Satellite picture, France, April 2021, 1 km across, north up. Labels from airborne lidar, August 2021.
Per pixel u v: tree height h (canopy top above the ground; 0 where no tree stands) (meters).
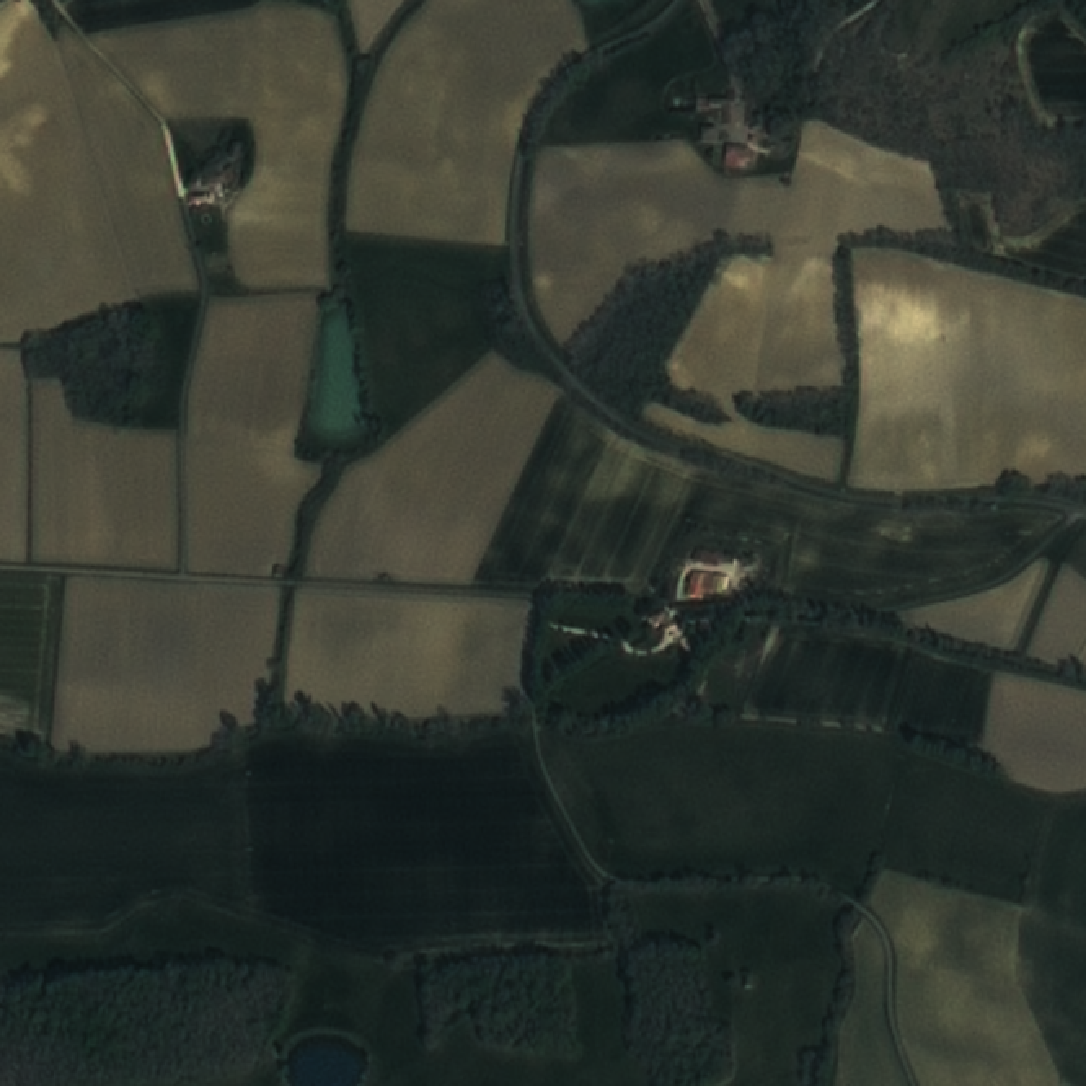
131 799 0
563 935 0
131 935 0
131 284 0
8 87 0
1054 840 0
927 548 0
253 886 0
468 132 0
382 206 0
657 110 0
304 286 0
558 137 0
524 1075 0
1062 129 13
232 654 0
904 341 0
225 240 0
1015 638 0
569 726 27
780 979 0
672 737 0
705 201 0
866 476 0
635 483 0
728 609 16
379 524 0
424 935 0
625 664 0
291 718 31
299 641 0
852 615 8
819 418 15
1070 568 0
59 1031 22
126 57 0
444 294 0
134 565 0
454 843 0
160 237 0
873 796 0
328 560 0
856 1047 0
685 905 0
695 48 0
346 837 0
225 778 0
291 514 0
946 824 0
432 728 10
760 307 0
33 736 0
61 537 0
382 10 0
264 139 0
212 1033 20
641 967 23
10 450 0
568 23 0
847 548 0
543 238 0
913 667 0
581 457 0
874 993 0
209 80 0
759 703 0
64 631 0
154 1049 23
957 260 22
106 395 16
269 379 0
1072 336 0
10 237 0
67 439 0
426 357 0
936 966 0
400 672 0
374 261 0
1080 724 0
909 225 0
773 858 0
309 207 0
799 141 0
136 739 0
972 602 0
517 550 0
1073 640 0
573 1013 20
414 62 0
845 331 20
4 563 0
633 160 0
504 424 0
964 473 0
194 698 0
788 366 0
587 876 0
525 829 0
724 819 0
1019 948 0
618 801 0
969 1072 0
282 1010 17
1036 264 0
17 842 0
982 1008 0
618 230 0
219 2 0
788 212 0
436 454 0
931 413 0
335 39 0
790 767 0
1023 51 0
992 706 0
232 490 0
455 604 0
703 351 0
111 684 0
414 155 0
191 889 0
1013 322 0
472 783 0
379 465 0
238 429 0
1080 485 13
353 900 0
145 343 23
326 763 0
